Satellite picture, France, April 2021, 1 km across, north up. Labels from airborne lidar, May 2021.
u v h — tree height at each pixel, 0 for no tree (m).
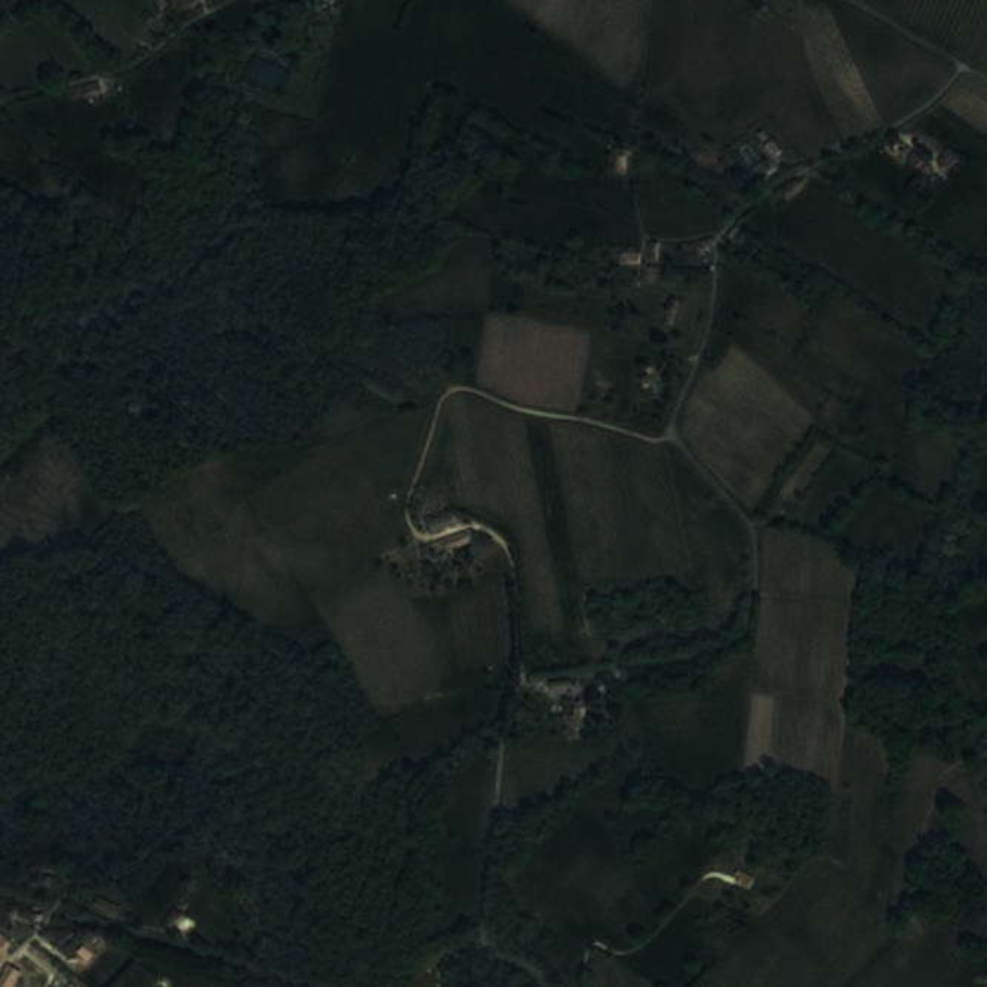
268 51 17
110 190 0
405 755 0
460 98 15
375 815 15
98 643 15
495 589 0
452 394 0
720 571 0
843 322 0
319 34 0
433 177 26
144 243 14
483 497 0
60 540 0
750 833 19
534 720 13
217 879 19
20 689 21
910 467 0
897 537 0
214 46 8
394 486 0
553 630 0
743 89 0
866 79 0
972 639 0
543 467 0
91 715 14
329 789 17
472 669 0
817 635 0
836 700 0
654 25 0
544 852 0
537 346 0
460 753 13
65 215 25
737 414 0
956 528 15
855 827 0
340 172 0
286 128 0
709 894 0
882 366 0
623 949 0
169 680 19
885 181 0
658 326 0
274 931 14
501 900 15
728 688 0
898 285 0
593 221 0
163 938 0
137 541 6
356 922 20
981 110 0
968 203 0
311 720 19
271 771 22
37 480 0
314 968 20
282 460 0
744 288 0
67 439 20
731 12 0
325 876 27
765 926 0
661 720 0
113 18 0
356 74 0
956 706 18
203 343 17
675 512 0
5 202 17
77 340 15
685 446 0
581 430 0
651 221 0
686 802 21
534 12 0
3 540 0
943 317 11
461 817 0
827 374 0
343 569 0
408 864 16
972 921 18
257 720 18
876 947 0
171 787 20
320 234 19
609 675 7
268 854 25
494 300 0
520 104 0
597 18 0
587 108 0
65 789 25
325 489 0
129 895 21
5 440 22
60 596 20
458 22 0
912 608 11
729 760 0
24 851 12
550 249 9
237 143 19
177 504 0
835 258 0
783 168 6
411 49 0
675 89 0
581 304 6
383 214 26
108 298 26
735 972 0
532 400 0
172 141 0
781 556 0
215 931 0
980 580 18
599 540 0
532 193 0
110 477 20
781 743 0
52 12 11
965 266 15
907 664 0
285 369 13
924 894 16
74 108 0
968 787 0
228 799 28
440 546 0
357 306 13
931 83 0
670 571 0
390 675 0
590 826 0
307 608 0
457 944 15
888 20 0
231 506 0
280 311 12
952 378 9
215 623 18
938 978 0
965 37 0
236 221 15
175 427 17
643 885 0
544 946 7
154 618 18
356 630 0
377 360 6
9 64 0
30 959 0
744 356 0
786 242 0
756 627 11
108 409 21
